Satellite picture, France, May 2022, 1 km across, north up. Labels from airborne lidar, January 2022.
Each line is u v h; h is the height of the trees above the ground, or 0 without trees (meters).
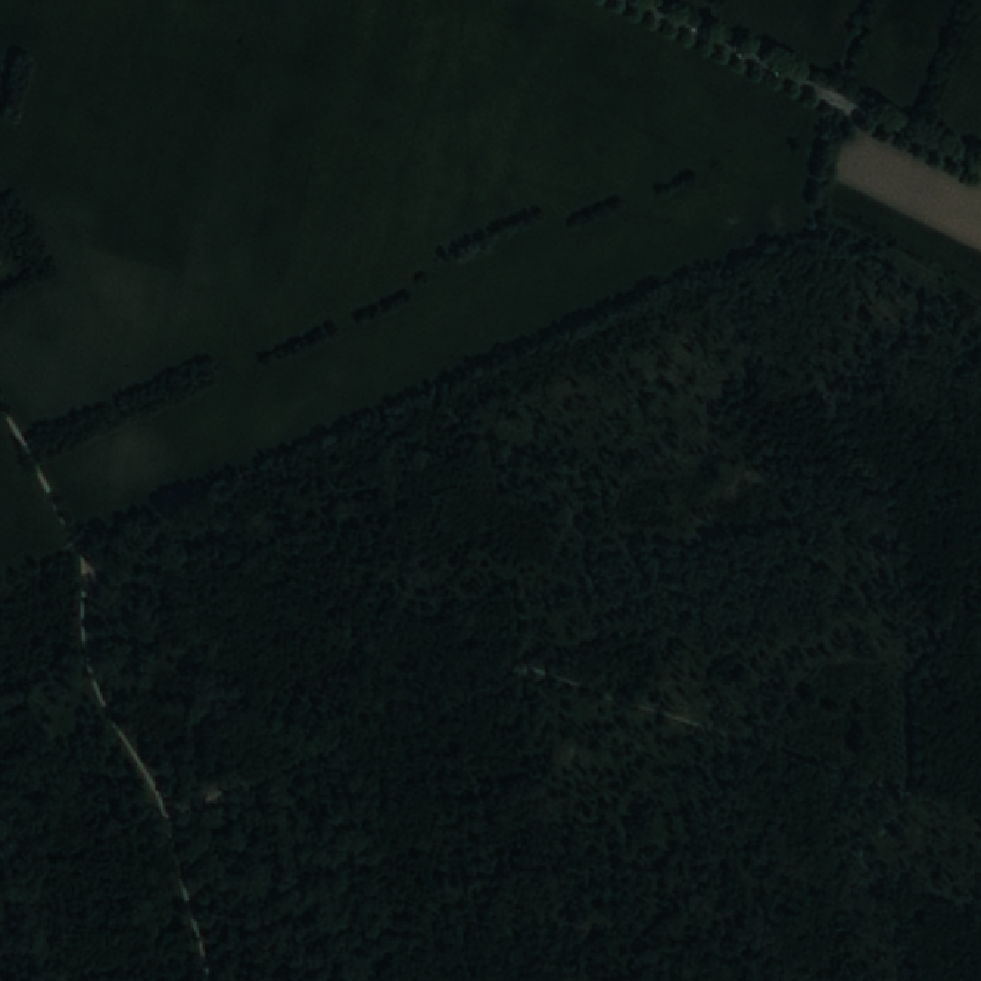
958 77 0
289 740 22
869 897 16
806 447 12
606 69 0
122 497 0
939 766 21
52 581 11
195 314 0
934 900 21
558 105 0
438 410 12
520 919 17
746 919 26
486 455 16
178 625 28
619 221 0
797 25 0
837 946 16
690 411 0
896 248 8
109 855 14
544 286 0
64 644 11
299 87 0
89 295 0
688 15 16
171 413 0
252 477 18
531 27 0
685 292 13
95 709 11
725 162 0
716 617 24
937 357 25
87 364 0
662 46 0
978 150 26
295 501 26
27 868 29
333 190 0
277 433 0
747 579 27
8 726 13
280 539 16
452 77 0
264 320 0
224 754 26
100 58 0
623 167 0
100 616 9
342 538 16
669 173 0
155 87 0
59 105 0
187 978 23
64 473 0
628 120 0
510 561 12
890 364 28
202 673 33
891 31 0
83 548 37
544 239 0
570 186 0
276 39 0
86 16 0
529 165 0
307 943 12
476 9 0
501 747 18
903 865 14
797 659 28
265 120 0
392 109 0
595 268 0
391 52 0
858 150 0
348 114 0
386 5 0
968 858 8
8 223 12
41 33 0
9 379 0
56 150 0
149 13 0
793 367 26
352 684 25
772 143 0
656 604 25
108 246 0
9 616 15
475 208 0
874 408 22
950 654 28
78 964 16
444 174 0
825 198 14
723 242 0
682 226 0
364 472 21
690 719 0
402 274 0
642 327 10
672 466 24
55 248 0
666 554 25
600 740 26
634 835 26
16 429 0
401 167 0
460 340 0
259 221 0
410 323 0
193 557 27
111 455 0
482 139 0
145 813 30
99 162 0
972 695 22
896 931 18
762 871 15
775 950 24
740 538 26
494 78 0
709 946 14
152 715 14
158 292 0
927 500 23
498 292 0
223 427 0
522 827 13
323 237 0
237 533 39
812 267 27
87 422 14
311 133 0
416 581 33
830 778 22
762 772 20
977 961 23
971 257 0
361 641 28
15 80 20
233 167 0
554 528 27
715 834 22
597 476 27
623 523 7
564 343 15
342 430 20
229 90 0
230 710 25
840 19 0
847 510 32
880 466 17
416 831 18
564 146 0
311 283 0
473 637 9
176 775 32
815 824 19
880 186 0
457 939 17
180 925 23
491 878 14
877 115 31
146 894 26
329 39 0
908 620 19
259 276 0
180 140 0
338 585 24
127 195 0
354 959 27
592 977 17
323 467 17
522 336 0
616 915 25
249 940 30
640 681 10
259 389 0
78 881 17
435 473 22
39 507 0
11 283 15
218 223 0
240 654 23
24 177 0
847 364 15
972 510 25
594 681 15
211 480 16
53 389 0
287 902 30
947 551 23
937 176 0
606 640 8
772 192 0
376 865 14
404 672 19
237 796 30
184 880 24
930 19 0
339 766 19
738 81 0
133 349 0
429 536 20
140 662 32
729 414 15
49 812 28
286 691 17
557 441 27
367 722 22
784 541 25
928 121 23
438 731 18
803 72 15
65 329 0
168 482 0
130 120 0
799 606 27
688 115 0
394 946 16
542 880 30
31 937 32
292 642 21
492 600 12
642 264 0
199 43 0
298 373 0
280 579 15
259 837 9
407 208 0
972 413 28
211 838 13
